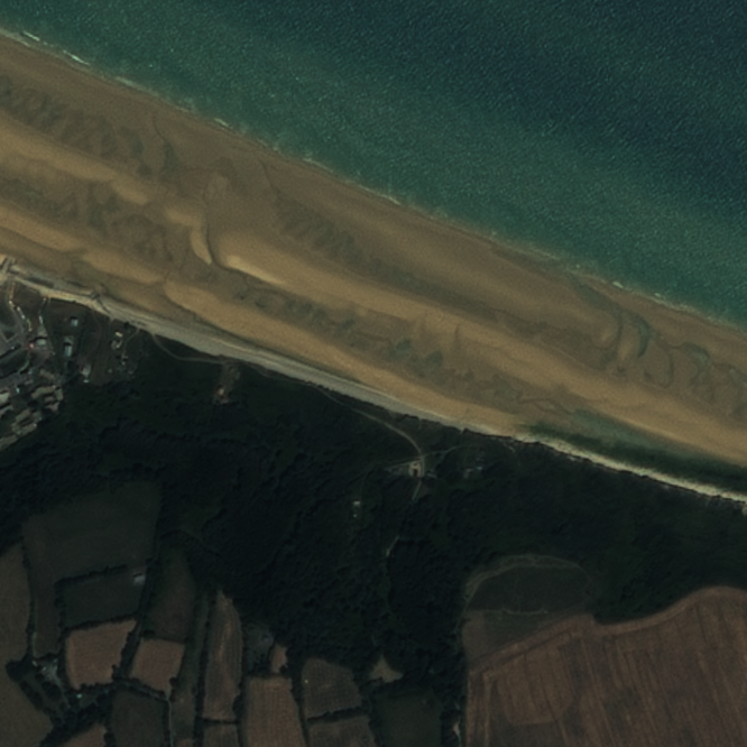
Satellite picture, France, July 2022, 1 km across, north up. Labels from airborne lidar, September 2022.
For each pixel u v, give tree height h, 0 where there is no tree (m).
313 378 0
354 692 0
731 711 0
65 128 0
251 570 8
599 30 0
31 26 0
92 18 0
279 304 0
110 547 0
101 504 0
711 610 0
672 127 0
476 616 0
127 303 0
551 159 0
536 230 0
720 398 0
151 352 0
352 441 7
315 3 0
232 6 0
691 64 0
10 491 9
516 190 0
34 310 0
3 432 0
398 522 12
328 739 0
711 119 0
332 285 0
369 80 0
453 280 0
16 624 0
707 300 0
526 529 0
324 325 0
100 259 0
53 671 0
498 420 0
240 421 6
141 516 0
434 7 0
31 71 0
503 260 0
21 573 0
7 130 0
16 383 0
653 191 0
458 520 8
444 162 0
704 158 0
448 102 0
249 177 0
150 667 0
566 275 0
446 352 0
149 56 0
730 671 0
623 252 0
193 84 0
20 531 13
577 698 0
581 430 0
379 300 0
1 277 0
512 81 0
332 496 6
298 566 11
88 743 0
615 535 0
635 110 0
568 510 0
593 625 0
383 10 0
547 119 0
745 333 0
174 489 11
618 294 0
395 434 0
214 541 13
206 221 0
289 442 0
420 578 20
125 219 0
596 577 0
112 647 0
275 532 20
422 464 0
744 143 0
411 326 0
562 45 0
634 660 0
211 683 0
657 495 0
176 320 0
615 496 0
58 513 0
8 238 0
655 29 0
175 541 12
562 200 0
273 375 0
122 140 0
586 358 0
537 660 0
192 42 0
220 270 0
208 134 0
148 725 0
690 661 0
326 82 0
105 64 0
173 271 0
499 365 0
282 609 8
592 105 0
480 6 0
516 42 0
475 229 0
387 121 0
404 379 0
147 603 6
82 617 0
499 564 0
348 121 0
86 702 0
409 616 21
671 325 0
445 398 0
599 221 0
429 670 17
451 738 13
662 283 0
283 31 0
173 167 0
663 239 0
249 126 0
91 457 9
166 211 0
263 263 0
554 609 0
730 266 0
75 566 0
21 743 0
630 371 0
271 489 14
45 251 0
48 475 10
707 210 0
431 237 0
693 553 0
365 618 11
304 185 0
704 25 0
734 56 0
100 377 0
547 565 0
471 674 0
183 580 0
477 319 0
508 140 0
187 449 14
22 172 0
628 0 0
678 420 0
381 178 0
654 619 0
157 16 0
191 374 0
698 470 0
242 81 0
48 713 9
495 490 0
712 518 0
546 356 0
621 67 0
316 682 0
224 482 13
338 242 0
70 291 0
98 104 0
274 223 0
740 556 0
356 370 0
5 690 0
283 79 0
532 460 0
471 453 0
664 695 0
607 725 0
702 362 0
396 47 0
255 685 0
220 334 0
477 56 0
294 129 0
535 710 0
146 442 13
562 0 0
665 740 0
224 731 0
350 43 0
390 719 0
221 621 0
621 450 0
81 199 0
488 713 0
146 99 0
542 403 0
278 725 0
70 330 0
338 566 7
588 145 0
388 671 0
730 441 0
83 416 0
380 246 0
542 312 0
